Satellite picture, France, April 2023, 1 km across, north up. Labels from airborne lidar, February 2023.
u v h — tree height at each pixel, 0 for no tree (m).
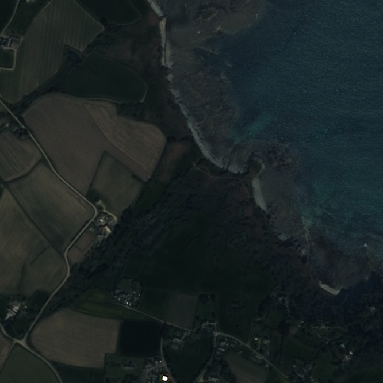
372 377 0
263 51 0
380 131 0
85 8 0
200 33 0
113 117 0
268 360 0
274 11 0
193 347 0
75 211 0
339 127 0
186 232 0
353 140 0
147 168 0
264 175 0
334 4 0
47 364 0
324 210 0
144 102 0
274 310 8
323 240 0
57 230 0
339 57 0
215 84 0
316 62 0
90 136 0
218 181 0
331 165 0
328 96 0
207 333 11
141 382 0
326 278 0
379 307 7
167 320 0
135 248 19
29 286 0
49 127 0
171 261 0
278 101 0
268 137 0
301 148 0
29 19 0
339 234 0
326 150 0
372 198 0
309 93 0
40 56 0
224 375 18
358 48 0
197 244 0
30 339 0
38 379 0
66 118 0
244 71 0
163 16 0
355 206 0
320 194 0
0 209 0
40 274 0
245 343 0
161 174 0
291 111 0
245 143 0
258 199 0
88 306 0
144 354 0
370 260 0
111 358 0
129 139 0
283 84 0
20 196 0
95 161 0
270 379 0
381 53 0
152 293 0
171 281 0
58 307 8
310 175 0
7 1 0
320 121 0
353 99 0
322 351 14
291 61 0
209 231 0
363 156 0
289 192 0
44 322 0
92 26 0
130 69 0
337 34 0
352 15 0
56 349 0
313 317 20
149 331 0
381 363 19
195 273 0
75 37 0
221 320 0
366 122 0
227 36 0
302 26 0
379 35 0
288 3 0
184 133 0
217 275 0
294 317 15
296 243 0
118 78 0
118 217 0
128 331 0
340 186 0
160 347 0
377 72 0
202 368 12
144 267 0
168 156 0
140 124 0
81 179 0
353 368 17
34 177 0
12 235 0
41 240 0
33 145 0
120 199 0
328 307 8
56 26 0
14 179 0
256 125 0
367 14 0
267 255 0
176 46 0
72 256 0
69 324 0
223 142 0
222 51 0
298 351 0
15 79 0
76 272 13
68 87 0
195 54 0
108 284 0
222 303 0
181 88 0
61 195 0
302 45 0
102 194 0
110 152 0
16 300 0
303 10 0
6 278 0
